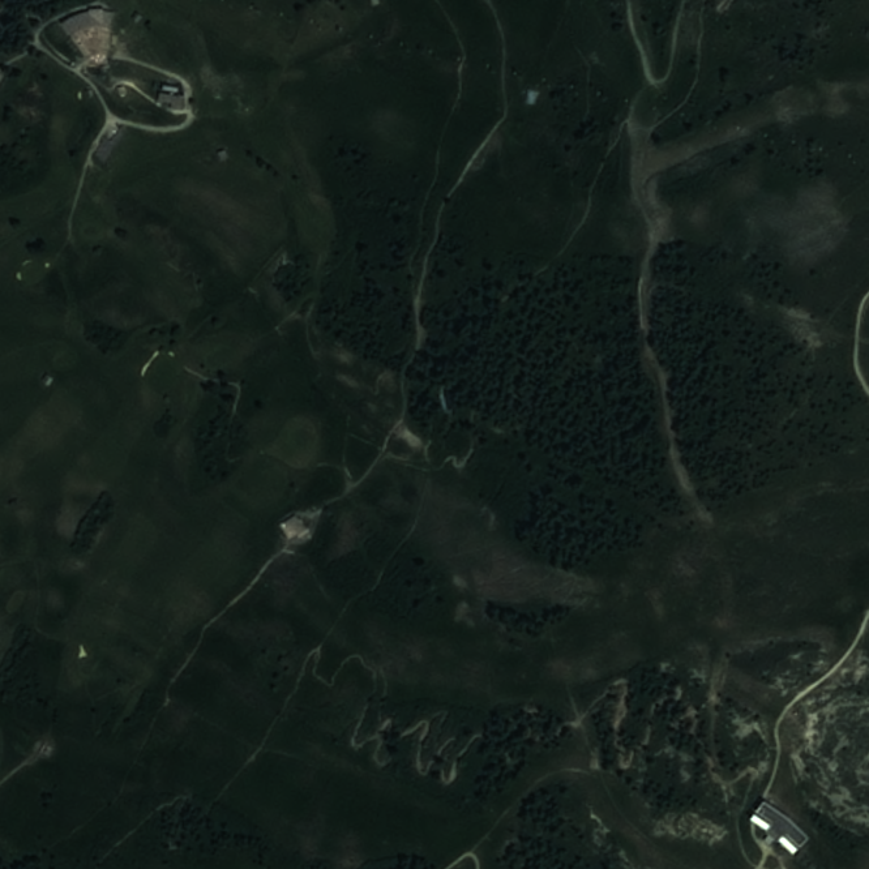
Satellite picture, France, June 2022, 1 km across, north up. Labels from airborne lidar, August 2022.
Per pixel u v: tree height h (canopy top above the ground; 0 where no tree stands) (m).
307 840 0
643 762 0
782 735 0
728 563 0
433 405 18
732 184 0
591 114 0
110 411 0
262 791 0
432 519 0
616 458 18
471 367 20
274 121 0
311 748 0
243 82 0
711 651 0
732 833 0
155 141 0
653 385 19
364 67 0
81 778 0
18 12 24
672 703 12
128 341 0
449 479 0
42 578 0
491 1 0
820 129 0
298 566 0
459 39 0
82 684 0
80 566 0
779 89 0
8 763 0
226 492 0
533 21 0
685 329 8
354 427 0
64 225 0
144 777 0
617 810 0
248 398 0
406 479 0
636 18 0
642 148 0
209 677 0
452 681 0
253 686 0
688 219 0
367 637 0
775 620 0
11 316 0
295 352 0
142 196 0
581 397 14
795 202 0
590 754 0
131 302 0
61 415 0
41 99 0
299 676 0
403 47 0
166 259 0
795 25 0
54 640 0
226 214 0
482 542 0
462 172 0
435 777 14
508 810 0
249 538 0
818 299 0
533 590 0
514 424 18
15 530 0
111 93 0
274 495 0
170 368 0
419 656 0
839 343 0
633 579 0
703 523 0
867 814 0
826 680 0
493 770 18
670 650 0
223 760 0
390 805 0
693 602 0
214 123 0
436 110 0
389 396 0
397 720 6
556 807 15
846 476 0
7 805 0
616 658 0
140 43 0
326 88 0
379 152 0
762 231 0
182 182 0
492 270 18
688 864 0
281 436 0
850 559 0
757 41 6
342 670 0
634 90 0
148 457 0
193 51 0
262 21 0
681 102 0
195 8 0
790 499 0
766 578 0
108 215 0
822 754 0
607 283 7
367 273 10
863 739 0
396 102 0
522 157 0
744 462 8
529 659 0
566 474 14
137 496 0
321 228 0
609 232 0
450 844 0
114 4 0
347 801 0
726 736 0
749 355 8
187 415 0
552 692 0
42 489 0
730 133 0
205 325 0
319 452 0
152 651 0
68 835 0
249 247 0
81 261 0
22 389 0
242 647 0
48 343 0
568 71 0
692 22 0
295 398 0
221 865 0
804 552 0
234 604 0
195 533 0
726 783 0
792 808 0
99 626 0
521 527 6
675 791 8
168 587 0
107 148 0
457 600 0
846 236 0
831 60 0
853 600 0
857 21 0
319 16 0
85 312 0
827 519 0
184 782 0
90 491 0
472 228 0
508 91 0
